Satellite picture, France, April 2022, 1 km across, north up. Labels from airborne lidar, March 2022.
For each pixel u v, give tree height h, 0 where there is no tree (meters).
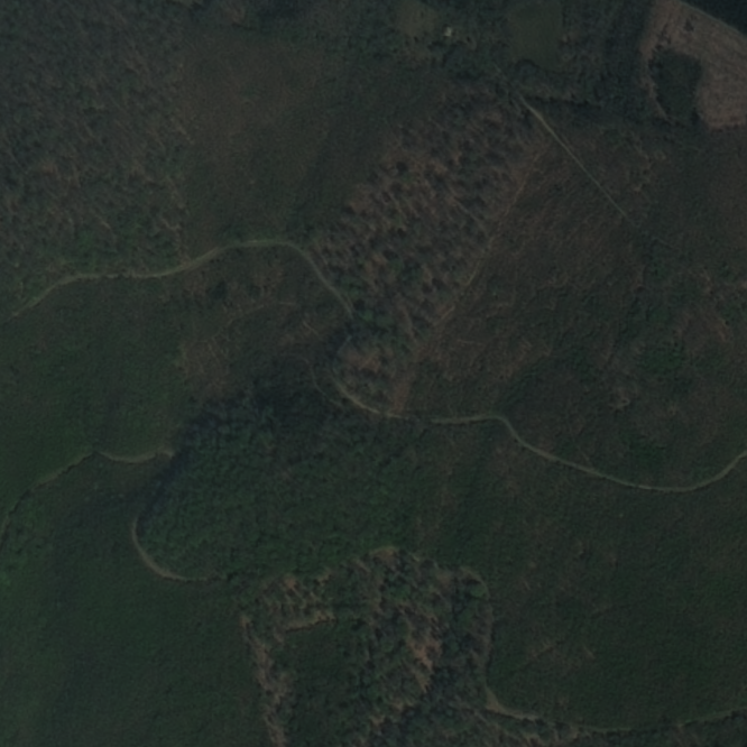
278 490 23
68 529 10
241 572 13
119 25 31
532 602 13
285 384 6
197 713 17
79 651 11
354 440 29
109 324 15
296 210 10
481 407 9
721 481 7
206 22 16
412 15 0
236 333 8
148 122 29
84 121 25
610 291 7
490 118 26
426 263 37
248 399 25
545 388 7
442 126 23
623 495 12
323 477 26
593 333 7
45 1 30
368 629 31
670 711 17
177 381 20
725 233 15
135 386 22
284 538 27
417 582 33
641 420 18
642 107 16
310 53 9
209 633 17
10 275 36
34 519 28
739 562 13
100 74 27
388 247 35
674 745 25
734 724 19
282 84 10
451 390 6
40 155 25
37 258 29
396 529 25
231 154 9
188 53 12
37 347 15
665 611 14
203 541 24
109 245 35
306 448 16
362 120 11
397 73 12
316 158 10
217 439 30
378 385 31
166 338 15
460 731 26
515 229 6
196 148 13
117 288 12
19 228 25
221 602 19
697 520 12
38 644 15
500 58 16
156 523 23
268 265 8
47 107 22
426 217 34
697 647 14
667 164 11
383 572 31
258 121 10
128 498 12
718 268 14
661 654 13
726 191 14
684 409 15
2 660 25
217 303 7
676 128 10
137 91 28
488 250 31
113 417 15
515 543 16
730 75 0
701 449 13
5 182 21
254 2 13
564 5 7
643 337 13
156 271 14
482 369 8
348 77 12
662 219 15
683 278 18
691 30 0
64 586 12
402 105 12
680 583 14
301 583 26
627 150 9
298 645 12
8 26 30
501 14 10
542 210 5
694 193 11
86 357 10
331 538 25
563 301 7
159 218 30
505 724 23
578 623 14
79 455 16
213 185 12
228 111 11
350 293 31
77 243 24
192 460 26
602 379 9
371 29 23
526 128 27
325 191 13
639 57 19
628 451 13
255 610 27
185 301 8
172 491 27
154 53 28
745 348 13
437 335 31
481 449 12
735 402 11
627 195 9
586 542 16
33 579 12
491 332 6
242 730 20
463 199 31
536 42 0
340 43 19
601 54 12
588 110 12
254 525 25
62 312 20
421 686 29
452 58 20
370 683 30
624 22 15
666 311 21
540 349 10
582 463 8
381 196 29
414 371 29
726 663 13
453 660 29
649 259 7
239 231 22
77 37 30
